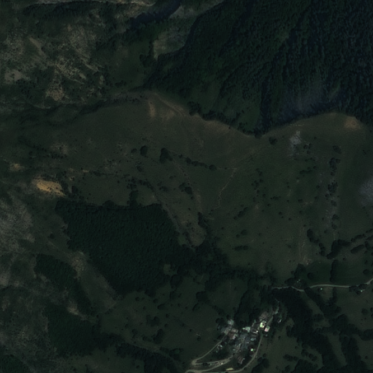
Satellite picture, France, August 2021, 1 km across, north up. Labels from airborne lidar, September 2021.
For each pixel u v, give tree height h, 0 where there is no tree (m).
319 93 0
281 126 9
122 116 0
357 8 25
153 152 0
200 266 17
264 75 19
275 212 0
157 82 11
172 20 6
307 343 21
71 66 0
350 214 0
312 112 0
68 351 8
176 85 10
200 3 14
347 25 31
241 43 14
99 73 14
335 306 16
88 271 0
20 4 0
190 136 0
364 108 18
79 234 14
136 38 15
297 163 0
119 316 0
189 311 0
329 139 0
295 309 25
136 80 0
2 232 0
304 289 9
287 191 0
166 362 21
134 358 8
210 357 0
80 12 6
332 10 23
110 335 7
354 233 0
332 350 12
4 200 0
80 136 0
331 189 14
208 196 0
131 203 9
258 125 0
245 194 0
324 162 0
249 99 9
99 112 0
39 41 0
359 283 0
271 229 0
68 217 14
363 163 0
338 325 17
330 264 0
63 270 14
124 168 0
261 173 7
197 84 12
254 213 0
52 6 6
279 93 11
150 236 31
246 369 9
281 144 0
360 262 0
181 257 30
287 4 22
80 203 12
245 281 13
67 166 0
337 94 0
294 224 0
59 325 11
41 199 0
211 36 17
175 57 9
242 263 0
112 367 0
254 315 18
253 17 22
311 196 0
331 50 27
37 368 6
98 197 0
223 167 0
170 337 0
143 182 13
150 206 13
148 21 0
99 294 0
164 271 14
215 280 13
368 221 0
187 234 11
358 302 0
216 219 0
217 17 13
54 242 0
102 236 18
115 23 9
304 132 0
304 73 10
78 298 10
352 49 22
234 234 0
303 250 0
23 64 0
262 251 0
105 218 20
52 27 0
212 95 0
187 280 0
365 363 16
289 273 0
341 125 0
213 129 0
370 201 0
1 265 0
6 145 0
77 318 7
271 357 0
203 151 0
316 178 0
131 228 22
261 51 22
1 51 0
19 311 0
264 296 15
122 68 0
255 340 8
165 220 18
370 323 0
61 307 8
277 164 0
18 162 0
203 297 15
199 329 0
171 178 6
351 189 0
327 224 0
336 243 13
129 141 0
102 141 0
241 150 0
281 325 7
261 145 0
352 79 33
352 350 19
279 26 28
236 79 12
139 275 23
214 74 11
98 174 13
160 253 24
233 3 14
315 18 16
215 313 0
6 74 0
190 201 0
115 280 14
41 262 13
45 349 6
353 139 0
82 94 0
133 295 0
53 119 0
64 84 11
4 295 0
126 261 22
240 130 8
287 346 0
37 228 0
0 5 0
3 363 9
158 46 0
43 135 0
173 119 0
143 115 0
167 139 0
